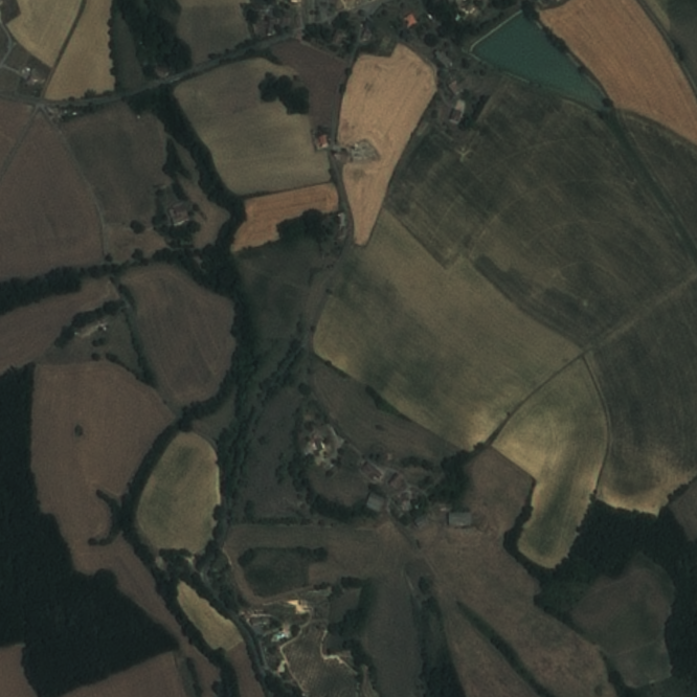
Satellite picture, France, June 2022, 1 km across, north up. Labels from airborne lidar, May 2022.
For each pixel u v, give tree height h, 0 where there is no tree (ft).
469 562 0
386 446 0
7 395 60
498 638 18
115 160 0
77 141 0
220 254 64
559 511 0
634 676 0
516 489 0
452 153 0
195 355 0
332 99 0
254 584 0
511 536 45
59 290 50
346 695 0
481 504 0
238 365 43
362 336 0
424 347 0
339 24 37
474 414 0
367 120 0
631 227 0
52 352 0
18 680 0
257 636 23
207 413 54
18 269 0
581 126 0
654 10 0
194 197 0
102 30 0
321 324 0
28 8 0
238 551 0
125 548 0
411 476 0
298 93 19
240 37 0
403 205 0
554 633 0
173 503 0
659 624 0
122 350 0
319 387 0
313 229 38
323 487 0
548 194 0
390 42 0
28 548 53
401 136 0
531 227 0
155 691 0
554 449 0
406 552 0
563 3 0
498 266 0
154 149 0
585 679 0
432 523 0
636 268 0
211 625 0
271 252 0
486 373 0
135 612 60
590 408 0
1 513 48
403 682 0
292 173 0
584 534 45
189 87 0
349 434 0
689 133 0
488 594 0
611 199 0
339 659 0
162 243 0
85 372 0
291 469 28
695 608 42
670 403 0
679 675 33
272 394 41
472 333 0
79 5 0
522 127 0
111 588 64
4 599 60
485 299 0
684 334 0
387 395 0
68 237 0
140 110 28
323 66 0
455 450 0
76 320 51
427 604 30
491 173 0
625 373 0
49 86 0
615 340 0
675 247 0
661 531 46
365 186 0
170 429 35
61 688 57
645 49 0
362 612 40
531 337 0
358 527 0
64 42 0
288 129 0
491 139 0
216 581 23
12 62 0
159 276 0
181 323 0
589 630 0
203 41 0
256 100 0
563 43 70
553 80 0
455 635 0
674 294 0
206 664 0
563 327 0
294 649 0
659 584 0
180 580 33
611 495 0
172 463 0
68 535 0
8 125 0
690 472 0
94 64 0
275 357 0
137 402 0
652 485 0
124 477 0
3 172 0
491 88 0
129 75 0
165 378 0
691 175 0
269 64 0
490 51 0
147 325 0
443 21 24
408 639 0
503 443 0
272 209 0
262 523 34
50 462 0
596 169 0
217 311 0
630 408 0
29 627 49
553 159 0
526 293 0
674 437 0
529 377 0
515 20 0
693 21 0
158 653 36
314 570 0
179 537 0
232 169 0
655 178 0
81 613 46
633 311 0
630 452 0
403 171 0
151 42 44
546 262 0
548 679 0
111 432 0
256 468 0
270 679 49
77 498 0
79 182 0
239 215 70
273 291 0
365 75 0
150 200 0
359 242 0
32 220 0
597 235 0
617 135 0
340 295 0
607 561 51
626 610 0
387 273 0
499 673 0
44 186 0
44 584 49
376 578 0
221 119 0
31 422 32
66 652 52
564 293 0
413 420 0
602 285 0
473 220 0
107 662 44
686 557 40
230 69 0
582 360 0
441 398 0
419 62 0
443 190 0
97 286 0
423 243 0
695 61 0
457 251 0
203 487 0
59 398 0
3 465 47
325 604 0
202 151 73
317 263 0
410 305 0
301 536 0
